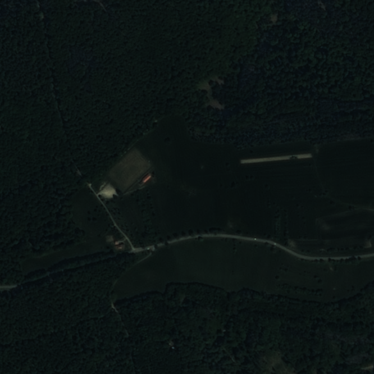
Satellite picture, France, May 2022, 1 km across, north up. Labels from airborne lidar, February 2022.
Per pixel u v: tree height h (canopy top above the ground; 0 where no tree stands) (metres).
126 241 0
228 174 0
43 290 25
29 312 27
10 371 30
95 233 0
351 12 25
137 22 21
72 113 26
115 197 13
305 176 0
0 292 0
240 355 33
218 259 0
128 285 0
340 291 0
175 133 0
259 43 35
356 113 26
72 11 25
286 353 37
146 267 0
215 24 26
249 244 0
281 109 22
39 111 29
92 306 22
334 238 0
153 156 0
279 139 9
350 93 32
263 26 23
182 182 0
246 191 0
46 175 29
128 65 23
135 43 19
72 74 20
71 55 23
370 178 0
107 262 24
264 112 23
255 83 32
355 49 31
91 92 24
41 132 30
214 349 35
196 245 0
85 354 28
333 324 17
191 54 26
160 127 0
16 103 31
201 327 38
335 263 8
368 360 20
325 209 0
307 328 26
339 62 24
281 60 27
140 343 21
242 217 0
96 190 0
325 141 17
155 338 21
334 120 19
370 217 0
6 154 27
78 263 24
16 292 25
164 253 0
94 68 21
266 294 13
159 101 19
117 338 24
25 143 30
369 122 23
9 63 30
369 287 15
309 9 28
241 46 31
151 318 24
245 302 23
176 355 21
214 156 0
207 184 0
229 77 20
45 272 18
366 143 0
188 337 27
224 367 35
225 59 32
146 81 24
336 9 35
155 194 0
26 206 27
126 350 25
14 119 31
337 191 0
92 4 24
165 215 0
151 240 8
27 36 29
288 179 0
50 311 25
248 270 0
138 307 24
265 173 0
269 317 27
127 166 0
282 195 0
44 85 30
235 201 0
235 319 25
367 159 0
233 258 0
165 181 0
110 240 0
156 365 21
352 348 20
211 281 0
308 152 0
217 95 21
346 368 21
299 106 28
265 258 0
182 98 27
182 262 0
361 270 0
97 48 22
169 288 13
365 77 38
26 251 29
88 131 29
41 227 17
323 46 37
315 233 0
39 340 26
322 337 29
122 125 26
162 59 24
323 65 25
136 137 21
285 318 25
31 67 31
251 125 20
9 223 29
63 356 27
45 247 27
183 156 0
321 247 0
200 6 31
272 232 0
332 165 0
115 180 0
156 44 21
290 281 0
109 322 32
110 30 23
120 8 22
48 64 30
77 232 26
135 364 20
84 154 25
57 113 27
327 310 22
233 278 0
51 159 27
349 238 0
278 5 10
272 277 0
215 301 22
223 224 0
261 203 0
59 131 26
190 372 30
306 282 0
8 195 30
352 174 0
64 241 15
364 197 0
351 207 9
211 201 0
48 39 26
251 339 32
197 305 31
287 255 0
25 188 29
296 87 20
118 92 24
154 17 23
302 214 0
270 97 27
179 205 0
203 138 9
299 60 37
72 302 29
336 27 32
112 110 27
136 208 0
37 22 30
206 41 27
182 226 0
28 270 0
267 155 0
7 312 28
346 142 0
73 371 28
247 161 0
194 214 0
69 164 27
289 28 8
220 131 17
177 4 23
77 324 23
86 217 0
